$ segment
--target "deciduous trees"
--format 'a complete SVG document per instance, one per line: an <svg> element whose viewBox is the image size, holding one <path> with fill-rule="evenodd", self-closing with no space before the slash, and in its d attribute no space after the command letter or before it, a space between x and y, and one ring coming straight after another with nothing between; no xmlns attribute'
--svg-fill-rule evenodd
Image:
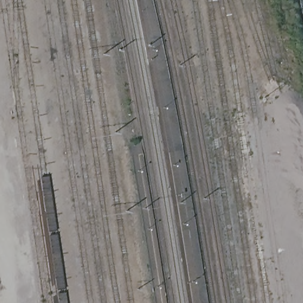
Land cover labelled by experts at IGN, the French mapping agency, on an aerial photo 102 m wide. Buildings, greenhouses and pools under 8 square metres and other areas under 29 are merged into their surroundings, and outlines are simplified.
<svg viewBox="0 0 303 303"><path fill-rule="evenodd" d="M270 0L270 12L277 14L278 30L289 34L290 49L294 51L298 64L303 67L303 0Z"/></svg>

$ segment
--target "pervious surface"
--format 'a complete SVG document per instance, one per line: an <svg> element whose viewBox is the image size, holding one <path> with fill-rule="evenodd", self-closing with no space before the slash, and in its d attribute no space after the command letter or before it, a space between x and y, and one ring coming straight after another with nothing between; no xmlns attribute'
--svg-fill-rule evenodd
<svg viewBox="0 0 303 303"><path fill-rule="evenodd" d="M294 77L289 66L288 51L281 46L275 32L265 27L259 0L0 0L0 303L303 303L303 96L290 88L294 84Z"/></svg>

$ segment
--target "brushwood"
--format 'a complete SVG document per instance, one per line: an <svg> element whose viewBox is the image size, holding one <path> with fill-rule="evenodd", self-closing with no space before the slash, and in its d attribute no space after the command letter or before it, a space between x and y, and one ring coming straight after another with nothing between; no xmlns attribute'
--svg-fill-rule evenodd
<svg viewBox="0 0 303 303"><path fill-rule="evenodd" d="M288 51L289 66L294 77L294 84L290 88L303 96L303 67L298 64L294 51L290 49L289 34L278 30L277 14L270 12L270 0L259 0L265 27L275 32L281 46Z"/></svg>

